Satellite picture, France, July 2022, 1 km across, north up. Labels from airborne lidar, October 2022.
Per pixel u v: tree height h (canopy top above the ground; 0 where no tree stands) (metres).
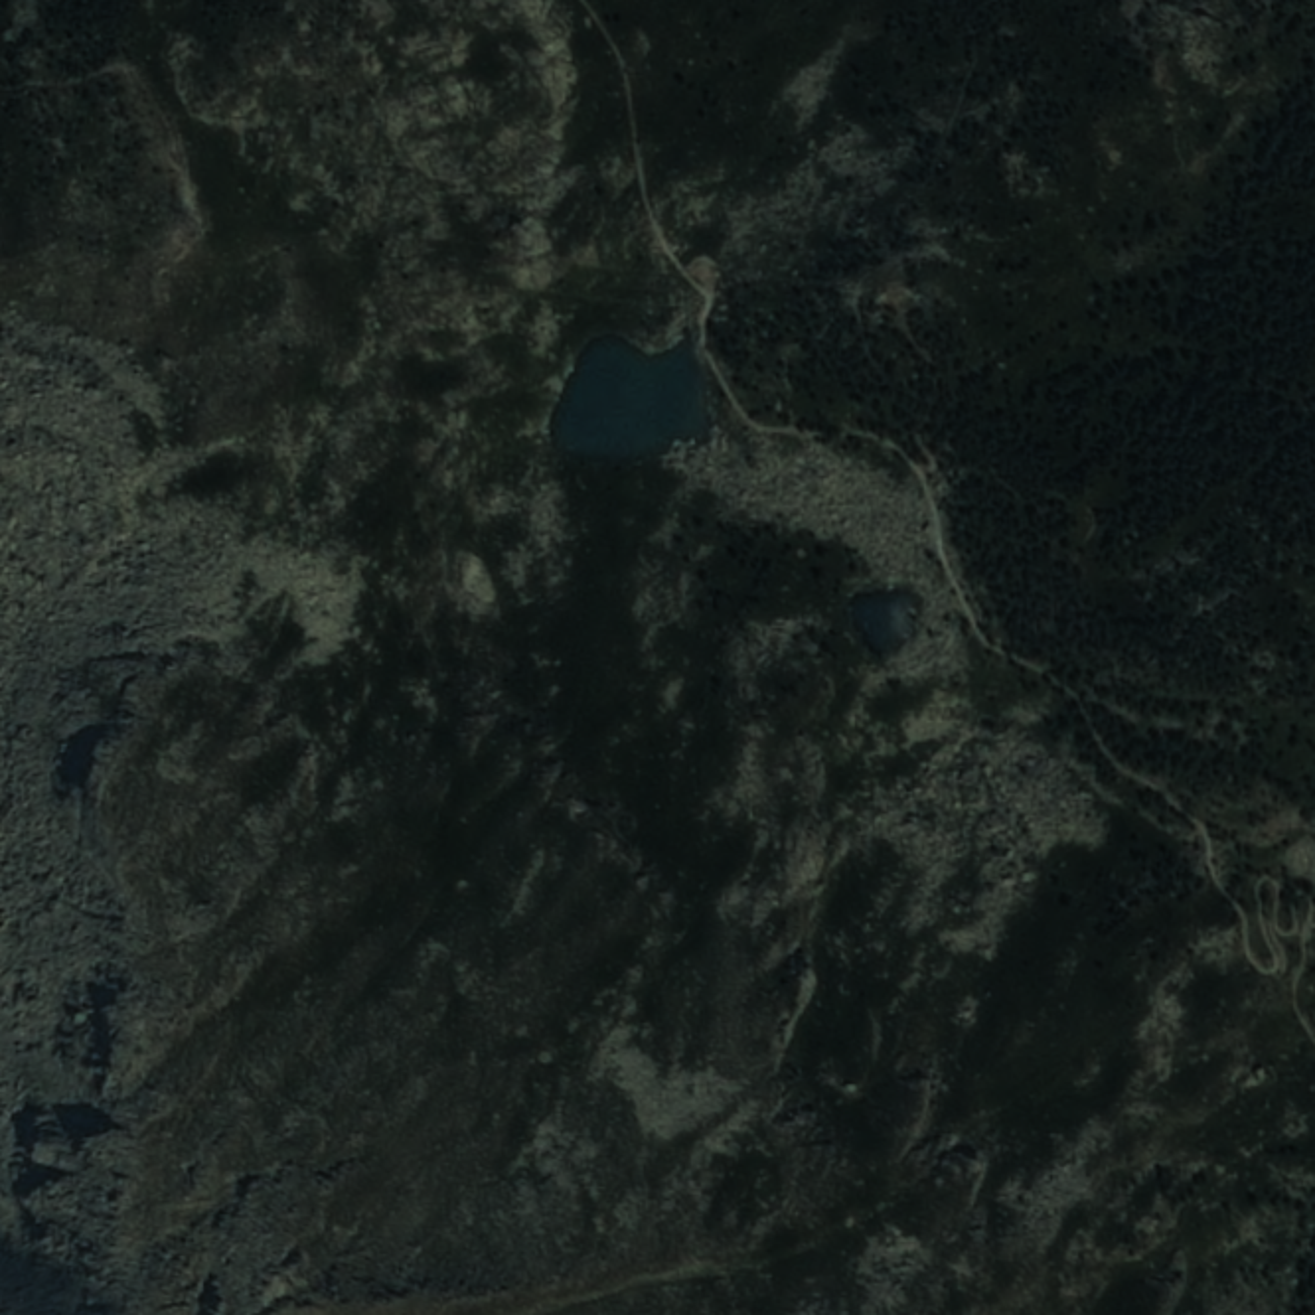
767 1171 0
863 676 0
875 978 0
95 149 0
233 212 0
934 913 0
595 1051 0
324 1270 0
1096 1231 0
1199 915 0
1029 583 10
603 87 0
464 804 0
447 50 0
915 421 12
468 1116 0
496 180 0
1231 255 8
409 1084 0
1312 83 12
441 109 0
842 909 0
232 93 0
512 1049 0
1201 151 0
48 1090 0
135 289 0
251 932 0
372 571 0
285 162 0
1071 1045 0
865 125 0
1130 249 10
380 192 0
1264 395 17
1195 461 12
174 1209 0
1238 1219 0
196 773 0
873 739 0
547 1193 0
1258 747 10
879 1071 0
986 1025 0
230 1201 0
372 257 0
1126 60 7
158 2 0
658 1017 0
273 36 0
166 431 0
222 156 0
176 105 0
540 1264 0
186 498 0
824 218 0
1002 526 9
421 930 0
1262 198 16
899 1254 0
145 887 0
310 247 0
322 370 0
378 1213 0
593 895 0
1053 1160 0
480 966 0
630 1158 0
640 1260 0
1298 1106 0
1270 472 9
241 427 0
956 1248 0
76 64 6
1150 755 10
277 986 0
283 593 0
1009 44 11
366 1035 0
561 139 0
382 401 0
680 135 0
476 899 0
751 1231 0
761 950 0
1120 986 0
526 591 0
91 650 0
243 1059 0
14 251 0
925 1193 0
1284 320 11
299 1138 0
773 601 0
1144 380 10
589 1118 0
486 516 0
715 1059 0
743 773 0
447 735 0
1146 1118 0
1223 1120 0
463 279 0
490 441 0
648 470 0
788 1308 0
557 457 0
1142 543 11
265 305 0
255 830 0
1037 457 8
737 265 0
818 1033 0
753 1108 0
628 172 0
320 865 0
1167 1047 0
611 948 0
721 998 0
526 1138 0
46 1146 0
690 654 0
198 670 0
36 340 0
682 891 0
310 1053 0
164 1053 0
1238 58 9
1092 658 8
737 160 0
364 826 0
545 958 0
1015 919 0
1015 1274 0
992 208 0
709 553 0
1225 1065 0
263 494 0
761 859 0
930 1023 0
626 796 0
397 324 0
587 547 0
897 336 10
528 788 0
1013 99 0
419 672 0
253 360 0
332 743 0
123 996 0
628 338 0
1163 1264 0
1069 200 0
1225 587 8
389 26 0
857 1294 0
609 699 0
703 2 0
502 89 0
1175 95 0
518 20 0
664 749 0
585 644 0
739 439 0
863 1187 0
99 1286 0
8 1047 0
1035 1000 0
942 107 0
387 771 0
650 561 0
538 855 0
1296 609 9
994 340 0
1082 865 0
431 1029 0
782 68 0
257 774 0
